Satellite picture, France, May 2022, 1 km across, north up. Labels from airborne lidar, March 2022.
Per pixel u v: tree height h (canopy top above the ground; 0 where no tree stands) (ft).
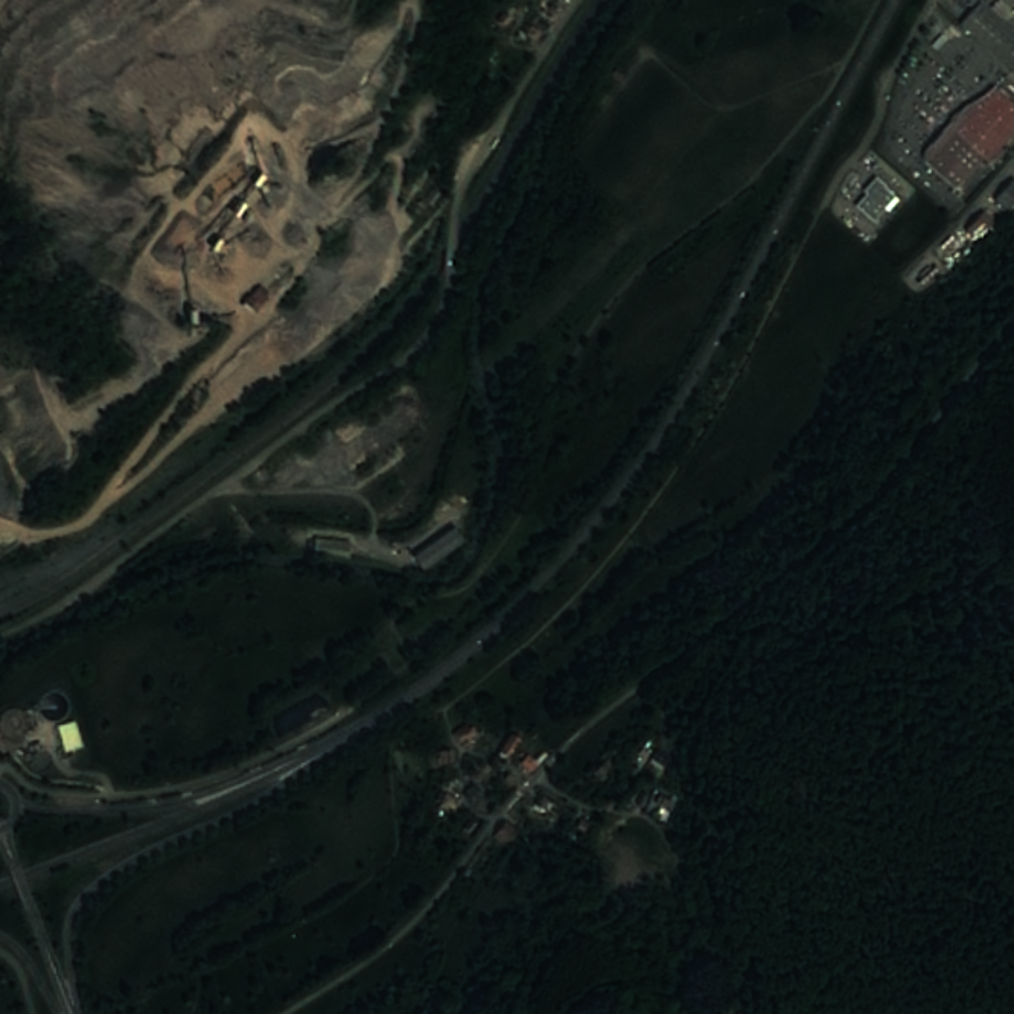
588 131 0
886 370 52
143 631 0
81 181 0
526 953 62
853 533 54
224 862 0
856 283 0
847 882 67
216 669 0
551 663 0
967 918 73
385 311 36
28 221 68
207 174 0
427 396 0
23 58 0
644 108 0
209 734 0
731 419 0
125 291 0
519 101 0
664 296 0
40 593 0
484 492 37
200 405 0
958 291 37
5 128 0
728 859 94
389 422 0
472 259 58
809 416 0
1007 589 75
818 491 88
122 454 22
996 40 0
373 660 0
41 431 0
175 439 0
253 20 0
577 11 0
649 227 0
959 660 77
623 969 51
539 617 35
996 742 70
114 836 0
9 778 0
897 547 57
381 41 0
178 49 0
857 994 74
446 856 24
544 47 0
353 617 0
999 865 65
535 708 0
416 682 0
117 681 0
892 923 70
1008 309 51
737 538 54
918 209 0
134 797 0
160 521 0
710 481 0
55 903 0
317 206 0
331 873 0
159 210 0
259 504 0
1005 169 0
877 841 68
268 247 0
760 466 0
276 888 45
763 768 72
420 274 34
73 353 36
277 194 0
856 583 79
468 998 20
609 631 0
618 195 0
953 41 0
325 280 0
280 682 31
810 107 0
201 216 0
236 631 0
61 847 0
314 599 0
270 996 35
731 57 0
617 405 0
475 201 0
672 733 38
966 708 82
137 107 0
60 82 0
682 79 0
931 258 0
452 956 0
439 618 0
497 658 0
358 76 0
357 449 0
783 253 18
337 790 0
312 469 0
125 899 0
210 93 0
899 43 0
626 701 0
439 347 69
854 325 0
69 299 23
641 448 43
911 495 70
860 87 0
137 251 0
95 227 0
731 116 0
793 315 0
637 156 0
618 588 66
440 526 0
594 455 0
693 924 57
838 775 70
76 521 0
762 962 92
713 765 81
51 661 0
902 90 0
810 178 0
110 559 0
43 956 0
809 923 69
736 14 0
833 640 72
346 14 0
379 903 0
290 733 0
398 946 0
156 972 0
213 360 0
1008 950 79
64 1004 0
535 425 82
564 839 22
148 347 0
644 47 0
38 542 0
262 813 40
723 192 0
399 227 0
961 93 0
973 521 106
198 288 0
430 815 0
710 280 0
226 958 58
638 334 0
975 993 70
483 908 0
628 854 0
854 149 0
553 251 0
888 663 94
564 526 50
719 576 92
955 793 68
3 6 0
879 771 56
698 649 84
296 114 0
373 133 0
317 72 0
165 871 0
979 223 0
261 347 0
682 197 0
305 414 0
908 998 59
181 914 0
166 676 0
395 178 0
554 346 0
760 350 0
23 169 0
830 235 0
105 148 0
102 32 0
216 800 0
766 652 46
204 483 0
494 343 43
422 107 0
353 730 0
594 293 0
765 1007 89
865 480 87
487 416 40
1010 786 59
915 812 78
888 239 0
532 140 66
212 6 0
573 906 65
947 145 0
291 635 0
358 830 0
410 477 0
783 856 83
